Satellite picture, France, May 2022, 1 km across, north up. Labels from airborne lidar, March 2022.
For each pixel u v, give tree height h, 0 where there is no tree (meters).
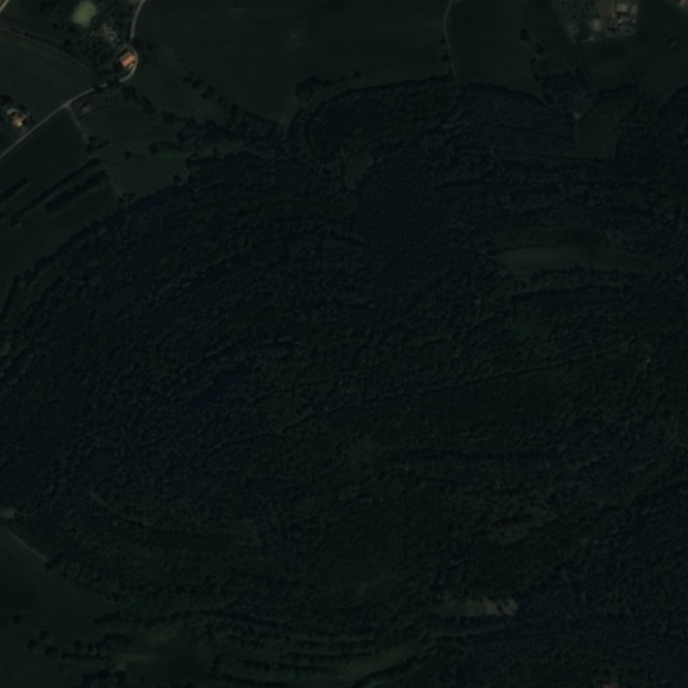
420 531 14
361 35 0
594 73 0
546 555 15
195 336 15
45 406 17
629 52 0
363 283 29
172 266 17
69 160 0
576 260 0
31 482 16
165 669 0
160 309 20
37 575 0
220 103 19
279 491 13
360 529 14
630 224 33
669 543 19
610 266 0
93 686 21
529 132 32
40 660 0
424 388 8
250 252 6
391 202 19
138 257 20
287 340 9
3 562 0
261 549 6
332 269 13
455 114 21
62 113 0
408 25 0
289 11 0
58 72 0
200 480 14
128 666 0
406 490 14
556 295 14
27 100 0
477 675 31
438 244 17
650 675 18
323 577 6
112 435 15
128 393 15
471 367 9
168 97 0
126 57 0
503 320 12
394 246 17
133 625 20
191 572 15
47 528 12
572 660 12
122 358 15
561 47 0
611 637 29
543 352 10
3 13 0
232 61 0
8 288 0
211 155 0
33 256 0
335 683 0
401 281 18
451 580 19
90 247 19
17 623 14
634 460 32
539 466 24
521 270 0
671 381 10
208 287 23
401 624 10
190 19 0
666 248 31
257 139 33
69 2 0
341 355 9
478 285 15
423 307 10
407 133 6
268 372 23
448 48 6
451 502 19
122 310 22
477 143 26
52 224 0
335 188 20
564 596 32
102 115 0
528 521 12
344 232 11
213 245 16
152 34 0
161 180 0
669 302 18
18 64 0
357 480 18
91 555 11
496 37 0
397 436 19
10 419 17
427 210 18
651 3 0
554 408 13
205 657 0
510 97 28
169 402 25
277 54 0
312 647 16
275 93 0
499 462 23
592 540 29
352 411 13
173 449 18
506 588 10
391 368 7
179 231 17
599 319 11
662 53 0
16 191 9
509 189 15
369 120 15
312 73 0
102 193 0
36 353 21
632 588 20
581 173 7
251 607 9
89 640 0
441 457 22
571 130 21
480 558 7
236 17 0
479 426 15
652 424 26
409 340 18
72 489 17
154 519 8
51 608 0
